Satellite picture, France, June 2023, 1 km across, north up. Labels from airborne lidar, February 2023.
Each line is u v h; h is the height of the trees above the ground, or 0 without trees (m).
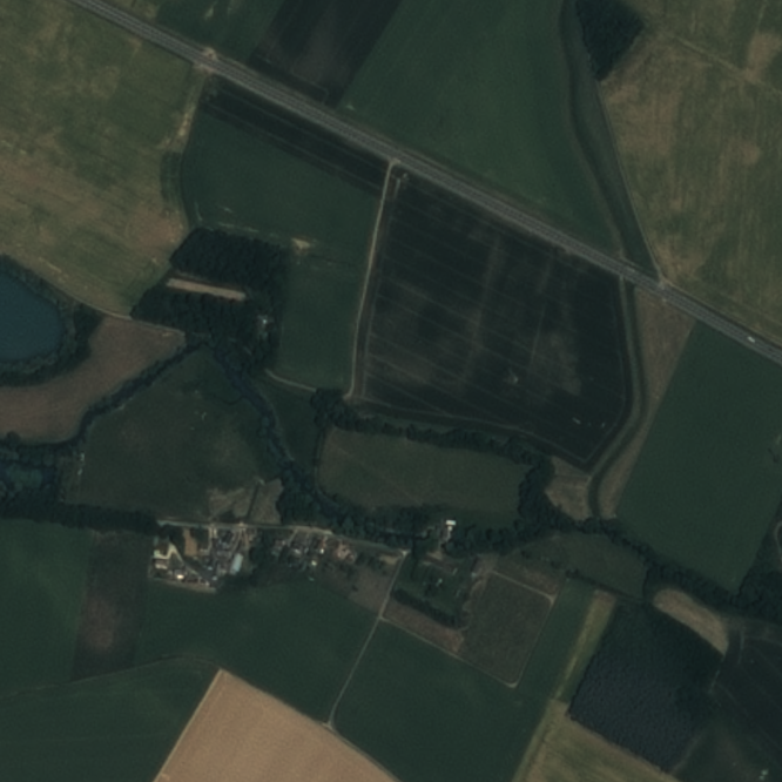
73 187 0
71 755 0
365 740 0
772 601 19
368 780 0
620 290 0
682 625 7
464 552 15
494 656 0
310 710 0
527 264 0
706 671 12
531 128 0
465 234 0
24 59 0
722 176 0
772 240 0
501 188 0
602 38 12
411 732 0
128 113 0
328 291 0
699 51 0
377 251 0
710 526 0
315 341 0
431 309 0
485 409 0
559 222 0
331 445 0
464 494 0
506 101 0
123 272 0
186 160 0
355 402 0
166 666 0
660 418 0
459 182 0
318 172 0
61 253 0
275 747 0
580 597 0
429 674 0
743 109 0
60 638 0
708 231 0
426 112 0
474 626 0
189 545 0
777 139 0
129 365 0
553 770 0
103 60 0
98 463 0
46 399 0
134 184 0
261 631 0
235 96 0
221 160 0
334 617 0
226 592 0
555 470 7
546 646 0
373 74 0
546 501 18
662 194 0
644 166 0
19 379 11
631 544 7
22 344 0
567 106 0
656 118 0
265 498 0
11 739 0
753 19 0
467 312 0
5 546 0
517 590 0
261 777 0
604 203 0
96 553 0
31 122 0
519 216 0
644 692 14
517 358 0
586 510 0
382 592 0
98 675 0
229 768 0
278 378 0
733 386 0
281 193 0
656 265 0
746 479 0
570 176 0
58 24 0
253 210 0
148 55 0
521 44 0
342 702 0
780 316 0
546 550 0
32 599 0
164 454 0
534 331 0
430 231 0
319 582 0
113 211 0
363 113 0
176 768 0
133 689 0
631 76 0
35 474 0
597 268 0
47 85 0
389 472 0
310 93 0
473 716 0
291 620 0
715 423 0
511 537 21
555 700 0
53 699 0
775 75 0
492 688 0
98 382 0
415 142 0
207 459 0
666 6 0
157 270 0
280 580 0
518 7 0
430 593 11
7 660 0
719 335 0
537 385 0
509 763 0
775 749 0
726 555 0
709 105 0
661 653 6
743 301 0
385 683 0
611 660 12
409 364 0
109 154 0
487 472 0
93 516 21
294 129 0
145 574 0
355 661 0
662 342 0
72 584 0
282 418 0
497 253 0
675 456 0
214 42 0
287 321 0
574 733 0
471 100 0
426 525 10
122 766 0
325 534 0
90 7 0
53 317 0
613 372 0
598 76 9
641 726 14
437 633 0
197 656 0
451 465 0
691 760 0
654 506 0
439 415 0
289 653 0
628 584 0
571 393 0
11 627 0
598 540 0
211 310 17
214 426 0
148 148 0
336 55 0
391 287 0
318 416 11
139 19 0
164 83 0
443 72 0
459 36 0
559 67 0
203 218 0
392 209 0
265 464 0
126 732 0
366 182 0
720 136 0
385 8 0
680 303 0
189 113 0
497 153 0
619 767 0
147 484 0
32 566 0
